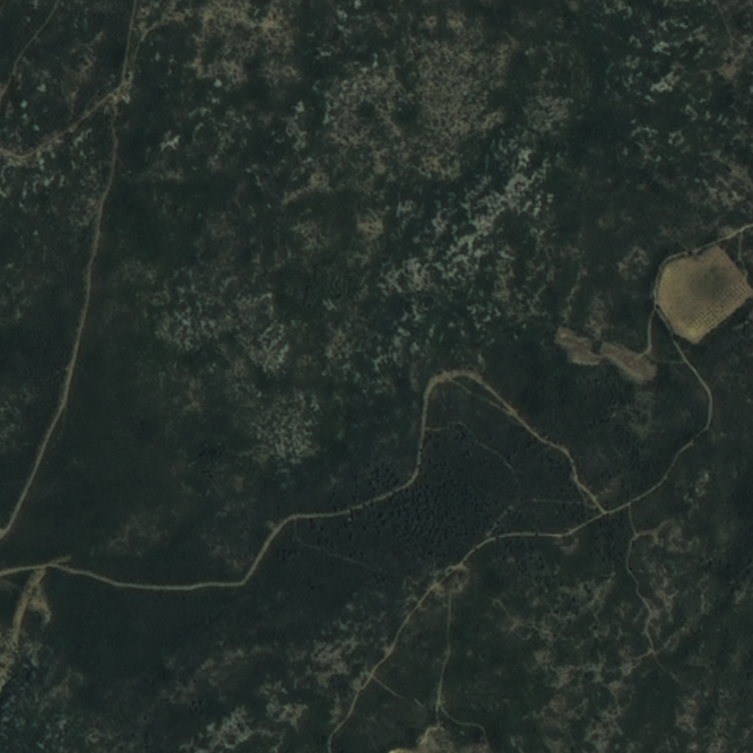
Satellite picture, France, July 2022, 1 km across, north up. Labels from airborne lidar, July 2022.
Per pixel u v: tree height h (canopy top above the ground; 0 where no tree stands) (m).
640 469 6
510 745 0
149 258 0
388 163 0
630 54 0
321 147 0
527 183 0
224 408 0
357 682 0
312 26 0
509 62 0
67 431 0
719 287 0
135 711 0
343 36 0
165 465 0
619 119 0
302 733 0
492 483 0
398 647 0
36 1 0
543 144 7
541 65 0
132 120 0
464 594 0
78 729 0
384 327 0
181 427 0
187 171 0
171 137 0
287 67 0
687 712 0
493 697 0
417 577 0
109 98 0
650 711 0
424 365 0
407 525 7
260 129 0
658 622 0
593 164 0
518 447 6
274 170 0
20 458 0
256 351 0
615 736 0
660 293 0
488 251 0
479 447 0
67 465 0
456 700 0
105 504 0
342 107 0
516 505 0
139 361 0
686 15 0
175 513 0
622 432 7
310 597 0
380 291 0
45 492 0
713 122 0
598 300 0
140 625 0
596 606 0
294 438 0
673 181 0
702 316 0
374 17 0
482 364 0
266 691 0
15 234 0
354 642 0
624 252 0
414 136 0
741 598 0
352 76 0
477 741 5
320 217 0
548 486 0
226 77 0
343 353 0
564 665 0
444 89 0
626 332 0
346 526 9
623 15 0
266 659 0
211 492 0
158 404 0
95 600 0
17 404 0
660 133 0
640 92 0
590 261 0
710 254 0
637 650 0
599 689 0
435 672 0
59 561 0
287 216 0
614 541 8
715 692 0
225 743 0
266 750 0
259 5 0
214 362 0
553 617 0
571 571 0
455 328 0
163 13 0
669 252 7
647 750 0
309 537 0
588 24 0
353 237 0
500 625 0
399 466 0
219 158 0
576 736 0
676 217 0
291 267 0
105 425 0
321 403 0
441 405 0
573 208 0
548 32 0
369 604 0
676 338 6
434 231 0
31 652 0
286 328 0
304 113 0
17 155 0
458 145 0
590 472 0
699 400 0
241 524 0
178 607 0
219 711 0
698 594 0
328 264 0
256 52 0
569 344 0
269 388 0
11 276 0
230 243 0
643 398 0
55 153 0
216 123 0
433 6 0
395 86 0
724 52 0
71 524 0
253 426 0
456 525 6
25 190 0
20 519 0
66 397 0
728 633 8
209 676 0
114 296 0
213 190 0
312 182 0
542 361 0
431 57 0
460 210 0
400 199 0
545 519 0
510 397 0
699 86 0
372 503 7
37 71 0
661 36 0
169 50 0
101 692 0
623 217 0
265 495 0
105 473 0
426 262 0
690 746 0
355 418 0
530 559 6
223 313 0
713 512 0
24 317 0
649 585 0
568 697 0
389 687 0
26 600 0
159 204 0
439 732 0
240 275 0
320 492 0
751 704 0
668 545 0
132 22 0
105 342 0
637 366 0
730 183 0
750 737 0
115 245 0
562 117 0
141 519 0
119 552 0
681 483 0
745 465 0
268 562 0
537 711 0
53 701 0
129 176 0
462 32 0
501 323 0
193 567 0
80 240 6
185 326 0
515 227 0
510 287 0
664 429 0
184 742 0
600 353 0
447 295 0
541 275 0
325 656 0
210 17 0
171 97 0
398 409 0
